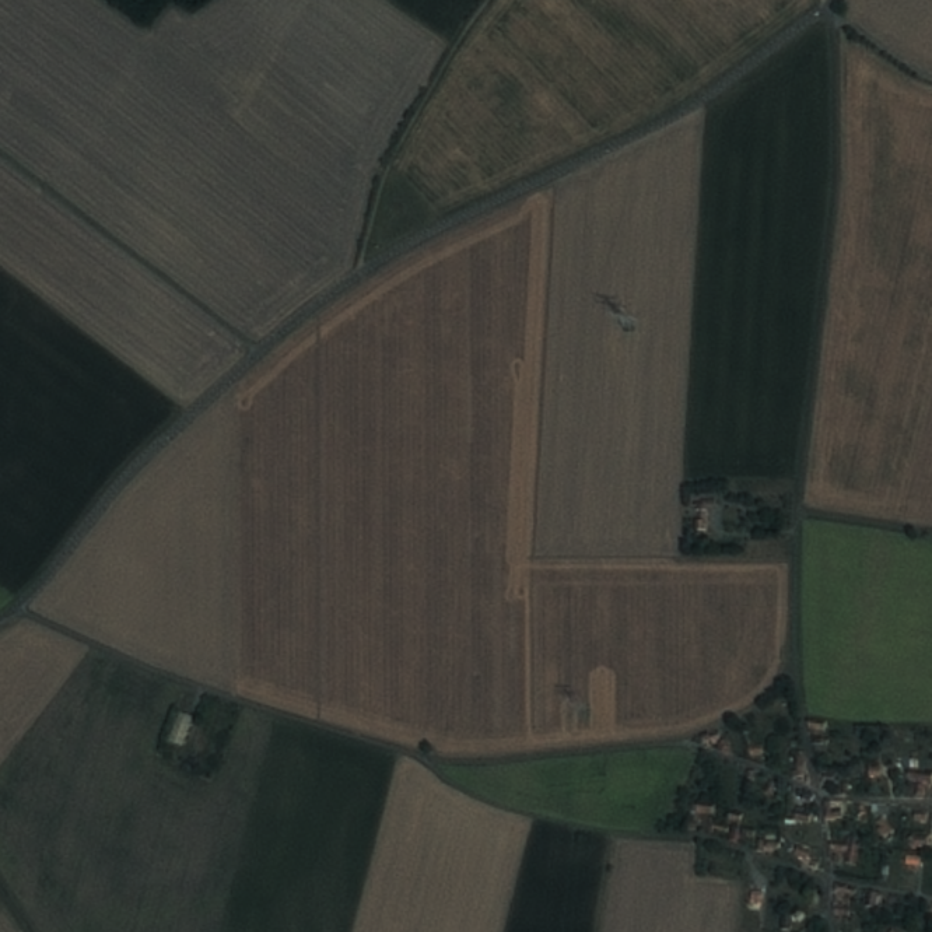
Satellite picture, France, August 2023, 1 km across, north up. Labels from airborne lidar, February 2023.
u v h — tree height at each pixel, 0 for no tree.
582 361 0
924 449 0
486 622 0
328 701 0
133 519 0
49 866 0
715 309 0
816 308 0
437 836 0
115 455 0
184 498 0
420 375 0
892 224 0
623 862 0
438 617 0
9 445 0
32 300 0
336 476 0
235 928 0
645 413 0
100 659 0
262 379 0
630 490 0
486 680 0
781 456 0
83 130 0
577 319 0
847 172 0
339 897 0
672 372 0
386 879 0
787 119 0
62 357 0
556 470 0
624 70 0
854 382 0
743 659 0
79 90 0
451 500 0
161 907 0
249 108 0
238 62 0
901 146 0
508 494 0
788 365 0
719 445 0
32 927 0
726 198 0
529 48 0
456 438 0
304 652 0
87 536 0
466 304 0
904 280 0
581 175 0
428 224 0
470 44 0
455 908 0
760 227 0
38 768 0
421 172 0
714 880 0
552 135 0
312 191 0
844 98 0
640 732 0
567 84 0
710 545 8
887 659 0
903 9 0
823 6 0
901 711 0
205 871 0
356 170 0
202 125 0
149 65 0
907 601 0
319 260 0
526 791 0
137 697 0
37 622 0
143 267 0
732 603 0
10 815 0
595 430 0
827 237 0
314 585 0
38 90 0
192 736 0
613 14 0
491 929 0
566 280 0
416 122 0
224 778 0
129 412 0
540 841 0
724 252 0
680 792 8
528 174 0
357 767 0
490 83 0
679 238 0
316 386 0
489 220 0
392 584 0
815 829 0
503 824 0
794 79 0
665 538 0
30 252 0
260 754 0
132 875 0
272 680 0
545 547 0
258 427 0
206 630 0
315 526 0
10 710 0
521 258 0
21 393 0
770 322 0
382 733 0
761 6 0
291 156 0
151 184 0
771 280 0
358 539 0
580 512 0
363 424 0
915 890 0
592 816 0
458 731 0
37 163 0
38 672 0
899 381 0
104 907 0
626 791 0
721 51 0
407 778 0
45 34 0
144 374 0
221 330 0
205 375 0
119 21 0
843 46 0
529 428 0
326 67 0
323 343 0
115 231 0
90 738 0
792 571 0
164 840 0
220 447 0
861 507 0
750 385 0
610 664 0
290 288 0
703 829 9
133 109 0
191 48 0
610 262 0
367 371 0
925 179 0
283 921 0
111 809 0
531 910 0
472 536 0
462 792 0
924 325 0
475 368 0
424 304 0
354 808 0
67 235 0
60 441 0
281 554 0
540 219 0
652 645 0
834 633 0
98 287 0
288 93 0
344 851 0
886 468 0
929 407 0
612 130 0
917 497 0
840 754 0
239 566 0
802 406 0
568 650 0
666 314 0
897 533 0
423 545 0
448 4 0
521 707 0
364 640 0
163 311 0
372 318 0
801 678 0
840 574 0
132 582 0
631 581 0
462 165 0
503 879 0
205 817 0
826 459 0
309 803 0
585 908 0
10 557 0
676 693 0
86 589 0
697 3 0
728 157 0
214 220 0
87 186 0
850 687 0
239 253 0
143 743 0
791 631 0
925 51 0
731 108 0
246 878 0
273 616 0
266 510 0
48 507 0
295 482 0
